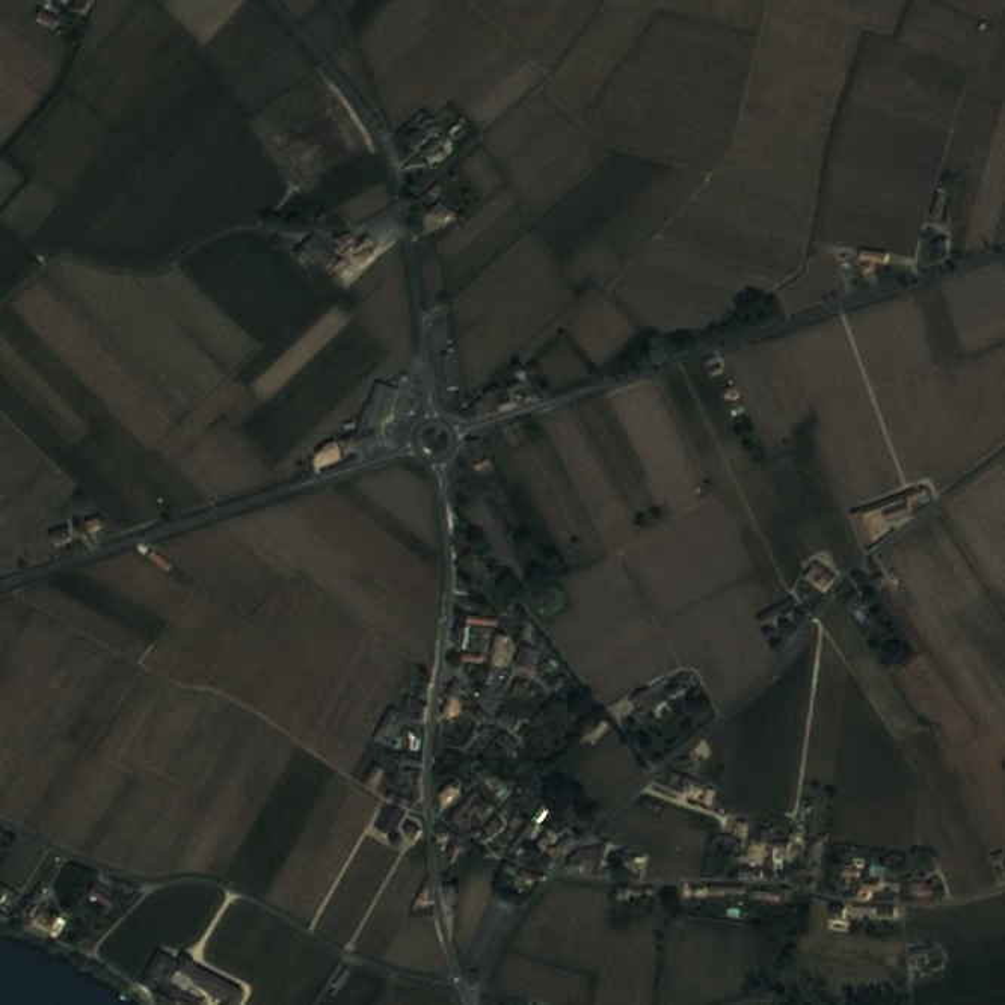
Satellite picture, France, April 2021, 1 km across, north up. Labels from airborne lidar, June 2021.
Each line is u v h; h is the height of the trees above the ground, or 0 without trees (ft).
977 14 0
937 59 0
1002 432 0
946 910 0
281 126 0
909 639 0
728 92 0
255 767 0
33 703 0
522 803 30
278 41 0
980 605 0
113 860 0
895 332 0
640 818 0
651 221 0
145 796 0
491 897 0
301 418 0
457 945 0
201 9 0
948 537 0
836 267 0
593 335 0
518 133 0
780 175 0
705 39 0
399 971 0
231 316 0
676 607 0
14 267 0
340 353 0
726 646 0
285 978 0
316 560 0
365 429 0
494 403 0
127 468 0
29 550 0
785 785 0
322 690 0
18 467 0
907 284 41
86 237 0
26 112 0
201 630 0
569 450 0
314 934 0
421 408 0
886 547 0
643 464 0
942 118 0
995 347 0
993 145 0
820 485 0
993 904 0
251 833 0
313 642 0
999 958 0
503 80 0
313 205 0
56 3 29
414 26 0
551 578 44
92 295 0
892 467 0
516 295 0
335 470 0
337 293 0
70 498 0
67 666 0
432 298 0
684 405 0
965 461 0
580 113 0
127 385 0
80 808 0
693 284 0
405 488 0
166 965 0
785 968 54
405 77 0
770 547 0
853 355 0
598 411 0
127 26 0
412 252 0
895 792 0
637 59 0
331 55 0
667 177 0
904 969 0
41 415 0
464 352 0
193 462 0
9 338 0
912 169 0
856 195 0
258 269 0
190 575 0
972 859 0
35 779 0
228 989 0
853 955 0
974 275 0
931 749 0
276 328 0
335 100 0
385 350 0
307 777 0
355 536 0
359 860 0
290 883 0
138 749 0
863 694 0
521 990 0
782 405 0
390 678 0
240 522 0
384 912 0
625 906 40
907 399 0
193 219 0
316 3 0
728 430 0
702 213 0
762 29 0
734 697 0
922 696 0
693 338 49
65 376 0
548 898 0
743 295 0
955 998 0
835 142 0
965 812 0
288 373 0
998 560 0
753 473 0
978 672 0
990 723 0
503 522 42
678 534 0
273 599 0
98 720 0
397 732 0
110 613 0
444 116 0
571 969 0
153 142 0
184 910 0
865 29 0
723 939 0
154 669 0
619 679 0
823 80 0
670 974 0
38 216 0
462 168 0
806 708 0
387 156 0
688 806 0
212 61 0
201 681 0
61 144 0
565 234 0
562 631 0
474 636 31
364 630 0
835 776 0
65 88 0
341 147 0
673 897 48
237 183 0
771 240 0
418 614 0
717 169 0
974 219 0
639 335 0
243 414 0
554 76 0
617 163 0
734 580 0
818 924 0
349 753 0
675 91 0
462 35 0
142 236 0
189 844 0
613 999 0
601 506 0
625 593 0
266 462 0
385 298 0
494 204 0
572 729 28
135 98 0
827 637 0
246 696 0
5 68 0
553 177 0
